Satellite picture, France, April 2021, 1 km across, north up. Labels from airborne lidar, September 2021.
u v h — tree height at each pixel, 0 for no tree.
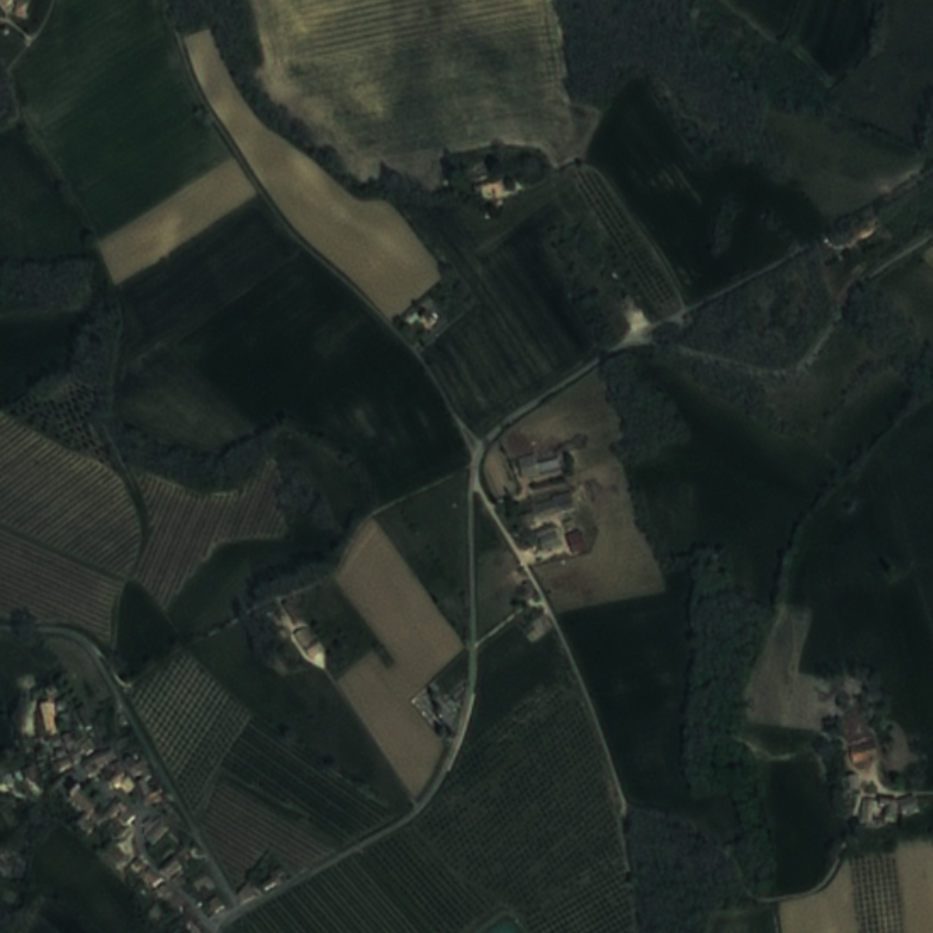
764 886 21
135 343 0
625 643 0
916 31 0
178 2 18
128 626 0
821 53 0
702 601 11
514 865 6
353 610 0
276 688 0
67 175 0
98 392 12
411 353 0
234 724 6
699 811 0
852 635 0
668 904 19
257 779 6
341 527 0
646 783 0
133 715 0
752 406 21
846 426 0
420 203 17
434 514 0
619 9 15
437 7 0
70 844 0
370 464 0
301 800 7
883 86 0
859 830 16
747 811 18
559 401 0
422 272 0
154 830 0
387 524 0
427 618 0
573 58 17
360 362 0
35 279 16
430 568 0
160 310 0
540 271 0
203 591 0
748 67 5
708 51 17
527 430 0
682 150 0
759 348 16
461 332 0
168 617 0
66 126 0
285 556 0
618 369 22
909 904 0
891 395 0
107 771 6
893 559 0
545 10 0
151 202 0
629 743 0
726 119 17
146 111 0
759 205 0
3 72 16
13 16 6
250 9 14
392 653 0
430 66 0
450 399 11
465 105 0
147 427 0
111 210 0
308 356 0
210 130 0
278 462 14
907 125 0
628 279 9
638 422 24
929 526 0
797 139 0
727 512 0
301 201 0
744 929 0
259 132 0
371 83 0
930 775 0
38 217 0
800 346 12
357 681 0
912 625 0
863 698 7
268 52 0
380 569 0
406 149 0
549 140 0
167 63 0
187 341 0
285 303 0
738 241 0
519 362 0
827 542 0
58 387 18
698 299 0
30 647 15
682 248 0
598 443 0
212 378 0
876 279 8
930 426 0
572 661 0
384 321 0
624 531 0
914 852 0
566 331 0
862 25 0
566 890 5
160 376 0
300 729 0
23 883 10
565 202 0
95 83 0
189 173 0
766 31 0
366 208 0
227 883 0
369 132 0
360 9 0
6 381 0
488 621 0
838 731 13
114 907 0
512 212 0
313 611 0
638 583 0
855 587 0
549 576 0
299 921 6
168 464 19
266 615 16
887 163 0
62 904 8
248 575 0
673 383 0
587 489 0
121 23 0
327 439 9
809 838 0
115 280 0
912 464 0
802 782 0
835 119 13
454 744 0
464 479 0
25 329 0
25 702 11
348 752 0
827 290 16
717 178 0
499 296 0
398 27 0
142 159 0
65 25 0
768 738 0
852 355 0
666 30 19
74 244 0
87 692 0
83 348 24
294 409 0
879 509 0
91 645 0
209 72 0
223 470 16
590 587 0
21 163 0
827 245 13
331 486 0
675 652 0
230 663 0
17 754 12
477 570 0
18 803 7
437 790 0
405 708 0
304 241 0
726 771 14
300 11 0
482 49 0
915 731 0
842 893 0
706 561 8
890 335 20
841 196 0
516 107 0
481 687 0
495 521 0
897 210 13
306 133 20
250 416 0
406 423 0
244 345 0
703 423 0
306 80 0
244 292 0
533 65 0
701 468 0
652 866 19
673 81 14
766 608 12
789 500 0
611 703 0
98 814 8
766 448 0
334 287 0
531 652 0
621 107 0
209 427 0
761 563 0
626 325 0
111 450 17
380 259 0
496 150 8
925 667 0
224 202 0
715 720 25
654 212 0
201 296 0
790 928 0
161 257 0
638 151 0
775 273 7
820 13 0
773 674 0
